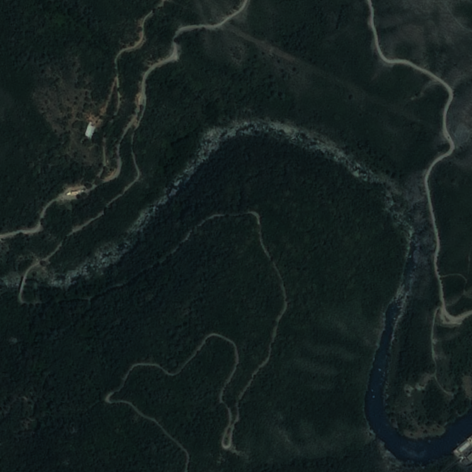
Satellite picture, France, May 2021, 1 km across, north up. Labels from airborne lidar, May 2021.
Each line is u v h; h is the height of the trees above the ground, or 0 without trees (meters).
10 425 6
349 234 12
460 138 0
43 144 12
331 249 14
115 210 15
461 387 9
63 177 7
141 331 8
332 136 8
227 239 8
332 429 8
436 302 5
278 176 13
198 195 18
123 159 9
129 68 13
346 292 8
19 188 8
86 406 6
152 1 13
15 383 18
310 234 14
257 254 8
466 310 11
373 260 13
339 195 14
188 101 14
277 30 9
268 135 17
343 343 10
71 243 16
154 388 9
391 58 0
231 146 14
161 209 16
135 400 9
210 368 9
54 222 16
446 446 0
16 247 8
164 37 16
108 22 7
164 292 10
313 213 12
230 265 12
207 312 8
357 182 12
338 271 6
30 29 8
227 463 12
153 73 6
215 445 10
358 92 0
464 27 0
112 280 13
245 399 13
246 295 11
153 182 9
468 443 0
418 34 0
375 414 0
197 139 15
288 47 15
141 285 17
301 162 20
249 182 17
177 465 8
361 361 10
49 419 15
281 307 7
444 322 0
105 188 15
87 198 13
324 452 6
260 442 8
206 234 11
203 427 8
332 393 14
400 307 0
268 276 11
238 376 8
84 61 6
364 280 8
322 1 10
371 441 7
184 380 8
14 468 14
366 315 8
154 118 12
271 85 12
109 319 9
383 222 13
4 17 10
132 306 9
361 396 11
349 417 9
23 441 23
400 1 0
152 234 10
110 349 10
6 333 12
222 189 12
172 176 16
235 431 10
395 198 12
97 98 10
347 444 6
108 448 8
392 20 0
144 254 19
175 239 10
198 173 13
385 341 0
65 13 13
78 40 11
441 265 6
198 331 8
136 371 6
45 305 15
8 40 12
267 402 10
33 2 6
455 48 0
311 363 6
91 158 0
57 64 11
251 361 7
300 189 11
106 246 7
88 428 10
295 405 10
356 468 9
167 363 8
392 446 0
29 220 9
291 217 10
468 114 0
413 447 0
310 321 12
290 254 16
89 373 10
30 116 7
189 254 7
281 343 10
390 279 9
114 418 6
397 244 10
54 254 7
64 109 11
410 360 11
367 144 10
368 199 11
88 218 16
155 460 9
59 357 9
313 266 9
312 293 12
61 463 16
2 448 11
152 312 9
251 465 8
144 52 6
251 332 6
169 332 16
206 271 8
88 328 6
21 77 6
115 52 8
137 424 10
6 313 8
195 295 8
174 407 11
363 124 6
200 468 7
